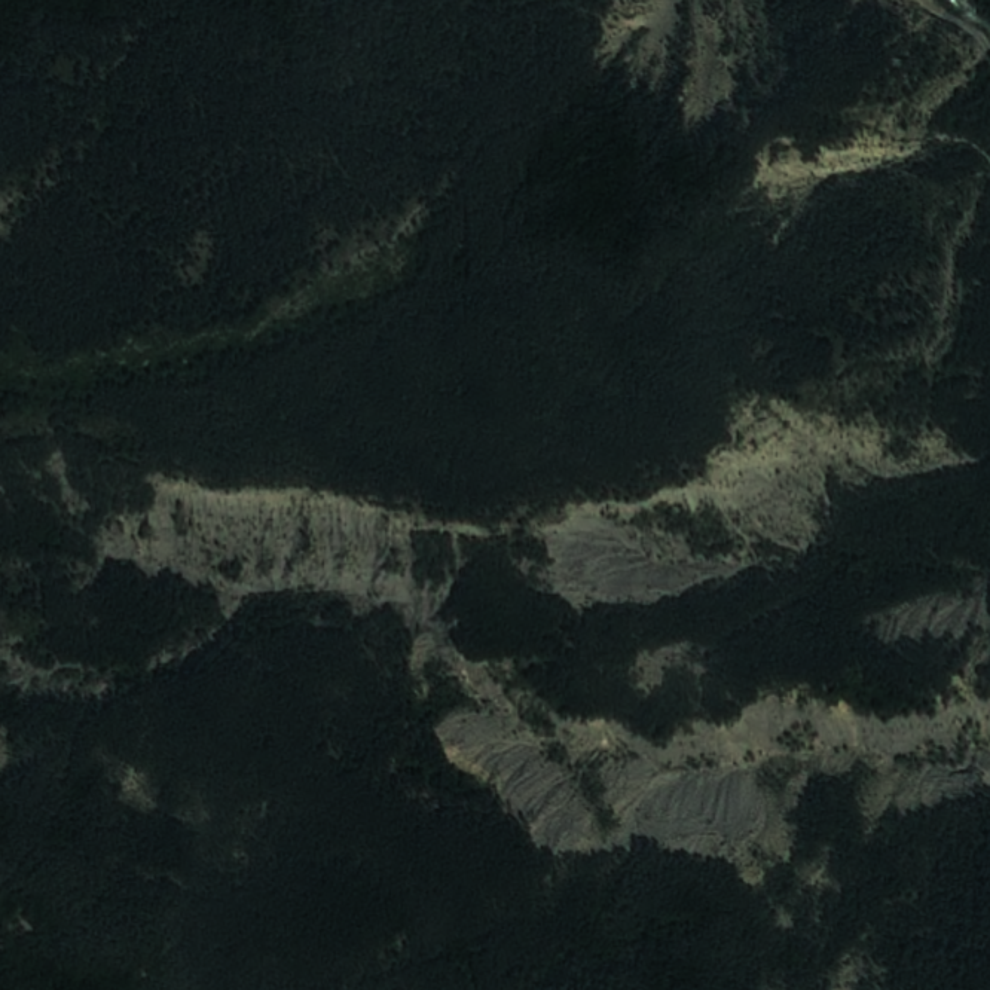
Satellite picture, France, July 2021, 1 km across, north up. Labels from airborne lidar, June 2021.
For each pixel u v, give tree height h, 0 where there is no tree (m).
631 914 13
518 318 13
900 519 20
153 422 14
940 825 12
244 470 7
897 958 9
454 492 16
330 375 14
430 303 21
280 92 19
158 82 23
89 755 12
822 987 6
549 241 12
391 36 24
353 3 25
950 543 19
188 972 10
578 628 19
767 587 17
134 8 15
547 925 18
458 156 24
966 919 14
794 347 19
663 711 17
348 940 20
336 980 15
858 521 20
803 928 11
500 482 15
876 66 17
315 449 11
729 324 9
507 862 21
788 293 18
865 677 8
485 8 20
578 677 16
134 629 19
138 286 15
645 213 15
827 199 8
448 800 14
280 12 12
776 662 18
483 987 16
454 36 26
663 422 12
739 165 20
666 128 17
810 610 20
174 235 10
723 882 17
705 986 19
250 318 7
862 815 9
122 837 16
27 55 16
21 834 17
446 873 20
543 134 20
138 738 13
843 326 15
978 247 17
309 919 20
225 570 9
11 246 18
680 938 18
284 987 14
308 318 6
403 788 26
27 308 20
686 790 0
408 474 16
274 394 16
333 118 22
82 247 18
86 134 22
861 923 8
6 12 15
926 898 12
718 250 17
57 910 11
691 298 13
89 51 17
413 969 23
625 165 14
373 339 13
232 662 22
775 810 0
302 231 17
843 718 0
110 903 20
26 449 14
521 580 9
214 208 15
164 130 20
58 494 13
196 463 9
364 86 25
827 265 10
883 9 19
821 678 12
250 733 21
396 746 13
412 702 14
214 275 9
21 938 13
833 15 15
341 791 17
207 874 16
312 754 18
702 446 13
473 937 18
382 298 19
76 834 22
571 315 7
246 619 12
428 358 10
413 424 12
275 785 16
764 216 8
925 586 18
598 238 18
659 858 13
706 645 13
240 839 11
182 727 18
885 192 5
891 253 15
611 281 12
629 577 0
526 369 14
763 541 6
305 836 17
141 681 14
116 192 22
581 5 7
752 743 0
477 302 19
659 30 0
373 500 8
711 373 11
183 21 21
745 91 10
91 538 12
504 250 17
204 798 6
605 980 12
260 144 24
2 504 14
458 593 16
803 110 17
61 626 21
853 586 18
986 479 17
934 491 17
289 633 18
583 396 15
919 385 16
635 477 11
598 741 0
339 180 16
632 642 9
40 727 14
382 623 14
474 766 0
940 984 11
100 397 9
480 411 16
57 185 7
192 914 15
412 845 21
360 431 13
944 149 8
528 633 17
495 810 17
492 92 27
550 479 10
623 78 14
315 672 18
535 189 17
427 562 12
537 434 9
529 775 0
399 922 14
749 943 18
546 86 25
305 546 7
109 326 17
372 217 15
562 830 0
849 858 15
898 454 11
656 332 22
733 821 0
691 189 15
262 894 19
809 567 16
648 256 14
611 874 14
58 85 14
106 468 12
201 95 20
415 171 19
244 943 22
